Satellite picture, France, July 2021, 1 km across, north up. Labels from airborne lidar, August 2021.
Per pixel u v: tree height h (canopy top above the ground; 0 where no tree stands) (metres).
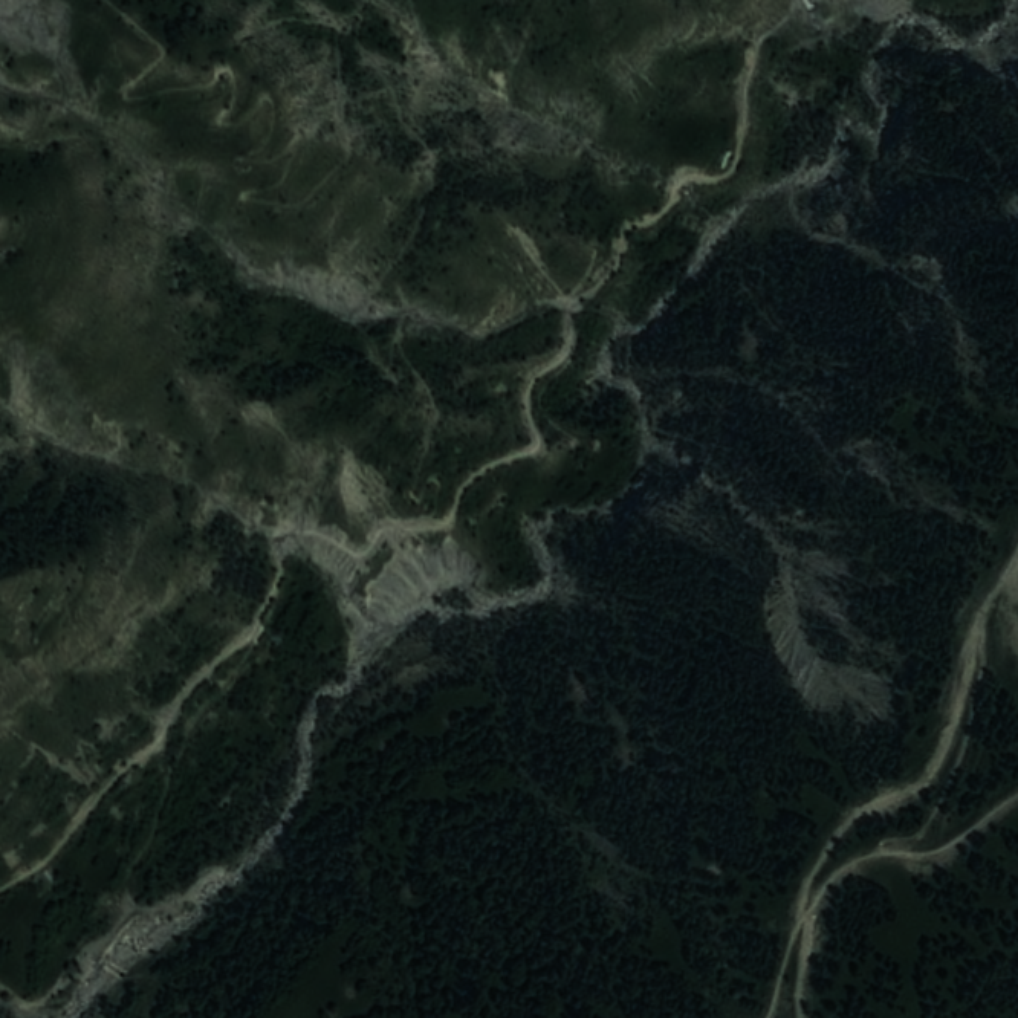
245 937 11
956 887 18
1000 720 17
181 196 0
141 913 0
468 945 13
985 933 17
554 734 11
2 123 0
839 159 0
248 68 0
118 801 7
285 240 0
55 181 0
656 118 8
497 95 0
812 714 10
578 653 15
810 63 7
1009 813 0
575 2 7
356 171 0
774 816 0
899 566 16
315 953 10
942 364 16
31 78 0
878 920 12
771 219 0
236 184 0
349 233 0
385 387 8
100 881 0
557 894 18
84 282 0
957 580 18
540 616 9
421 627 9
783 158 7
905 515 13
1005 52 0
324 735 13
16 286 0
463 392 11
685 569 8
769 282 14
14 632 0
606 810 19
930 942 15
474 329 0
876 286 18
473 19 0
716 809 10
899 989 6
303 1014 0
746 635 16
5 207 0
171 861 12
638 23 0
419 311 0
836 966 14
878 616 8
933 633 18
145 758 0
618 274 9
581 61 0
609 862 10
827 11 0
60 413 0
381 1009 17
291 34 6
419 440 6
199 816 9
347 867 18
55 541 21
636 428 16
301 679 7
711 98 0
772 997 0
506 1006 17
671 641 15
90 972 0
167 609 0
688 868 21
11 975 0
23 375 0
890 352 22
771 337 13
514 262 0
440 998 18
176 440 0
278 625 10
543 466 0
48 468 12
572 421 10
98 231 0
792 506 9
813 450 13
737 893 18
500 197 8
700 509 6
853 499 15
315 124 0
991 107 11
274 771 10
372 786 13
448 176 7
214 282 6
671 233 12
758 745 10
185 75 0
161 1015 11
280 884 9
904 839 0
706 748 18
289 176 0
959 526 13
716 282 17
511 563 7
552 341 10
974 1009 7
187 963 12
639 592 16
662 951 0
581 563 13
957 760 0
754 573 6
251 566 10
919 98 13
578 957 13
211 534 8
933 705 12
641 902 11
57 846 0
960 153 16
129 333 0
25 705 0
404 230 7
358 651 0
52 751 0
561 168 0
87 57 0
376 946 14
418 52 0
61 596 0
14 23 0
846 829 0
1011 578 0
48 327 0
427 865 19
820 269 12
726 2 0
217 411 0
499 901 12
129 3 10
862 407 21
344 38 6
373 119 9
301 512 0
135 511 11
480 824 23
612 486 6
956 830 0
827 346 10
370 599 0
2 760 0
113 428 0
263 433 0
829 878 0
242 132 0
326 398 8
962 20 9
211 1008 9
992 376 10
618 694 24
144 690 12
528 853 17
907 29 7
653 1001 14
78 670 0
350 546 0
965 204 13
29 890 6
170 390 8
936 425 6
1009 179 19
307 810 12
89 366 0
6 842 0
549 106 0
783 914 0
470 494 8
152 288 0
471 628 7
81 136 5
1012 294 22
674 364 10
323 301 0
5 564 18
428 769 14
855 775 18
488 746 15
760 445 29
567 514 9
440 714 0
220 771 12
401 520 0
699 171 0
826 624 7
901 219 8
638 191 0
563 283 0
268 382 9
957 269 15
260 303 7
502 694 17
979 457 16
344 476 0
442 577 0
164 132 0
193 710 6
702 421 13
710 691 21
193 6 9
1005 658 0
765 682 18
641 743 13
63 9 0
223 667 7
